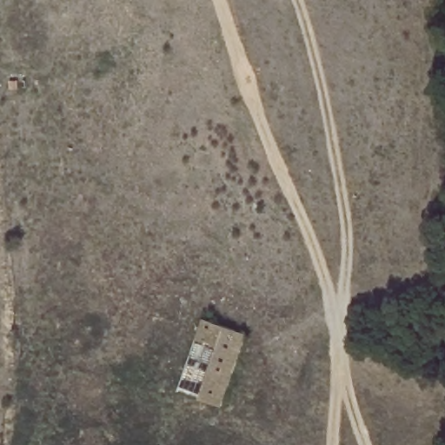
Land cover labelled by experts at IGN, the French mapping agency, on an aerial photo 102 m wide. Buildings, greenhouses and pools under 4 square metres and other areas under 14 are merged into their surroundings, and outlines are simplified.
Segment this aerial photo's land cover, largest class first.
<instances>
[{"label":"herbaceous vegetation","instance_id":"1","mask_svg":"<svg viewBox=\"0 0 445 445\"><path fill-rule=\"evenodd\" d=\"M203 320L243 334L242 349L236 360L235 372L231 374L226 393L222 396L221 407L196 402L193 396L176 391V388H181L179 379L183 374L186 356L193 346L195 329ZM330 335L325 322L322 289L315 268L311 264L301 229L297 226L296 216L276 181L261 137L257 134L256 123L240 96L212 0H0V445H327ZM231 16L235 19L236 30L245 49V56L256 73L257 89L269 129L275 137L276 146L280 149L283 160L287 163L290 179L296 186L302 207L313 224L329 268L332 285L339 283L341 226L315 82L292 0H228ZM315 30L316 43L322 54L323 70L329 85L330 101L341 148L342 169L346 176L349 207L353 219L351 297L386 287L391 276L405 280L428 269L424 257L426 247L421 240L419 226L422 210L435 198L436 189L442 184L440 156L433 151H426L428 143L422 139V125L426 123V116L433 113V104L424 94V90L428 87L429 70L435 59V49L426 31V12L428 7L433 5V0H304ZM349 369L353 388L363 422L369 429L372 445H445V386L442 382H436L431 388L421 389L412 377L405 379L381 363L372 362L370 358H365L363 362L351 360ZM339 445H358L349 424L346 407L341 403Z\"/></svg>","mask_w":445,"mask_h":445},{"label":"deciduous trees","instance_id":"2","mask_svg":"<svg viewBox=\"0 0 445 445\"><path fill-rule=\"evenodd\" d=\"M426 31L435 49V59L429 70L428 87L424 90V94L433 104V113L426 116V123L422 125V139L428 143L426 151H433L440 156L442 184L436 189L435 198L422 210L419 226L421 240L426 247L424 257L428 269L405 280L391 276L386 287L351 297L344 337V348L351 356V360L363 362L365 358H370L372 362L381 363L405 379L412 377L421 389L431 388L436 382H442L445 386V0H433V5L428 7L426 12Z\"/></svg>","mask_w":445,"mask_h":445},{"label":"pervious surface","instance_id":"3","mask_svg":"<svg viewBox=\"0 0 445 445\"><path fill-rule=\"evenodd\" d=\"M240 96L256 123L257 134L261 137L276 181L296 216L297 226L301 229L311 264L315 268L322 289L325 322L330 335L327 445H339L341 403L346 407L349 424L358 445H372L369 429L363 422L353 388L349 369L351 360V356L344 348V337L351 297L353 219L349 207L346 176L342 169L341 148L330 101L329 85L323 70L322 54L316 43L315 30L304 0H292L315 82L341 226L339 283L332 285L329 268L313 224L302 207L296 186L290 179L287 163L283 160L280 149L276 146L275 137L269 129L257 89L256 73L245 56V49L236 30L235 19L231 16L228 0H212Z\"/></svg>","mask_w":445,"mask_h":445},{"label":"building","instance_id":"4","mask_svg":"<svg viewBox=\"0 0 445 445\"><path fill-rule=\"evenodd\" d=\"M243 334L203 320L195 329L193 346L186 356L183 374L179 379L181 388H176V391L193 396L196 402L221 407L222 396L226 393L231 374L235 372L236 360L242 349Z\"/></svg>","mask_w":445,"mask_h":445}]
</instances>
